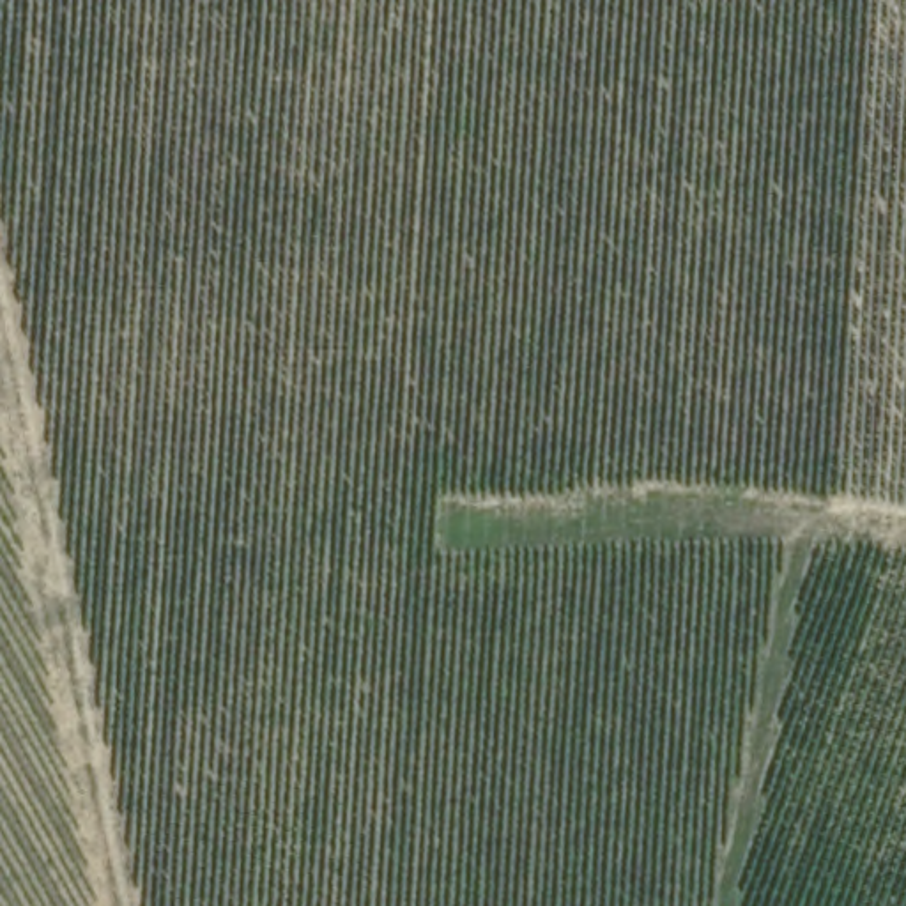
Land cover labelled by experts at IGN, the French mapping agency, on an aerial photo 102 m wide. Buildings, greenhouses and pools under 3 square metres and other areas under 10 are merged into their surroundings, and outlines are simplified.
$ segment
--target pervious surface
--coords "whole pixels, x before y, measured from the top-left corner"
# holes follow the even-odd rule
[[[28,336],[21,333],[21,308],[14,301],[14,276],[4,262],[0,227],[0,453],[18,506],[18,577],[28,591],[28,605],[39,630],[50,711],[67,761],[67,803],[78,825],[78,842],[96,895],[92,906],[138,906],[142,892],[127,878],[117,782],[110,775],[110,747],[103,743],[103,715],[92,704],[88,630],[81,626],[81,602],[71,584],[71,559],[64,552],[64,524],[57,513],[60,485],[50,474],[42,407],[35,403],[35,379],[28,368]]]
[[[828,499],[832,513],[842,517],[856,538],[871,538],[881,549],[906,549],[906,503],[860,495]]]

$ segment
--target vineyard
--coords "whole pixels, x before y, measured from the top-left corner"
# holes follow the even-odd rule
[[[18,506],[0,453],[0,906],[92,906],[96,895],[78,842],[78,825],[67,803],[67,761],[50,711],[39,630],[28,605],[28,591],[18,577]]]
[[[906,0],[0,0],[0,227],[4,262],[14,276],[14,301],[21,308],[21,333],[28,336],[28,368],[35,379],[35,403],[42,407],[50,474],[60,485],[57,513],[64,524],[64,552],[71,559],[71,584],[81,602],[81,626],[88,630],[92,704],[103,715],[103,743],[110,747],[110,775],[117,782],[127,878],[142,892],[138,906],[906,906],[906,549],[881,549],[871,538],[856,538],[842,517],[832,513],[828,499],[860,495],[906,503]]]

